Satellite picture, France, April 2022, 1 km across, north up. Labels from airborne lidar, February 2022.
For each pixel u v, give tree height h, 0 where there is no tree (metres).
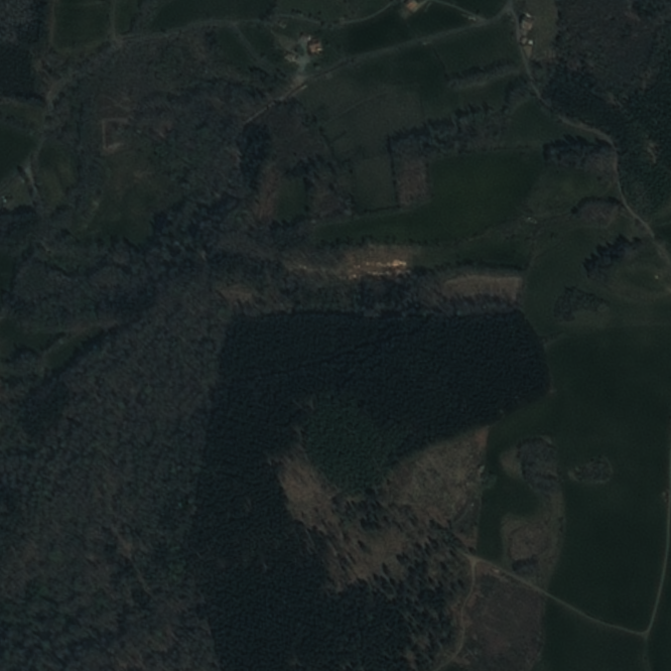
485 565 0
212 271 25
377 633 21
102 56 17
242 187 25
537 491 14
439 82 0
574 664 0
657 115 8
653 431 0
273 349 21
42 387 15
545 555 0
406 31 0
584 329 0
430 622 22
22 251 14
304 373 20
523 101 20
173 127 29
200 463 22
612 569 0
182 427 20
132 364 27
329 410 11
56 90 0
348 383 16
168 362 28
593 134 0
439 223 0
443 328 24
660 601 0
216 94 22
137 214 0
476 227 0
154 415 26
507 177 0
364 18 0
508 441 0
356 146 0
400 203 10
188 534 18
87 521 16
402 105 0
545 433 0
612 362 0
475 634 0
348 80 0
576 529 0
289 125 0
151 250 17
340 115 0
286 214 0
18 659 34
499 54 0
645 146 9
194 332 25
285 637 22
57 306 21
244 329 18
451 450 0
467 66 0
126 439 25
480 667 0
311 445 12
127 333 13
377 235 0
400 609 22
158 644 29
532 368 26
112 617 26
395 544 0
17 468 26
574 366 0
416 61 0
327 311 9
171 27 0
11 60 9
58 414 24
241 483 17
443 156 18
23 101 26
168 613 22
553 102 8
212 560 20
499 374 25
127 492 24
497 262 0
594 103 11
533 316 0
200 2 0
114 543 19
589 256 0
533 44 0
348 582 19
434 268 0
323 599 21
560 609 0
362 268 0
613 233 0
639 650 0
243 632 21
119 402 26
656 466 0
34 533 18
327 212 0
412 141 16
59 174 0
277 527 18
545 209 0
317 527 17
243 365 22
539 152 0
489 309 27
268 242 25
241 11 0
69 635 21
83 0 0
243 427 25
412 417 21
